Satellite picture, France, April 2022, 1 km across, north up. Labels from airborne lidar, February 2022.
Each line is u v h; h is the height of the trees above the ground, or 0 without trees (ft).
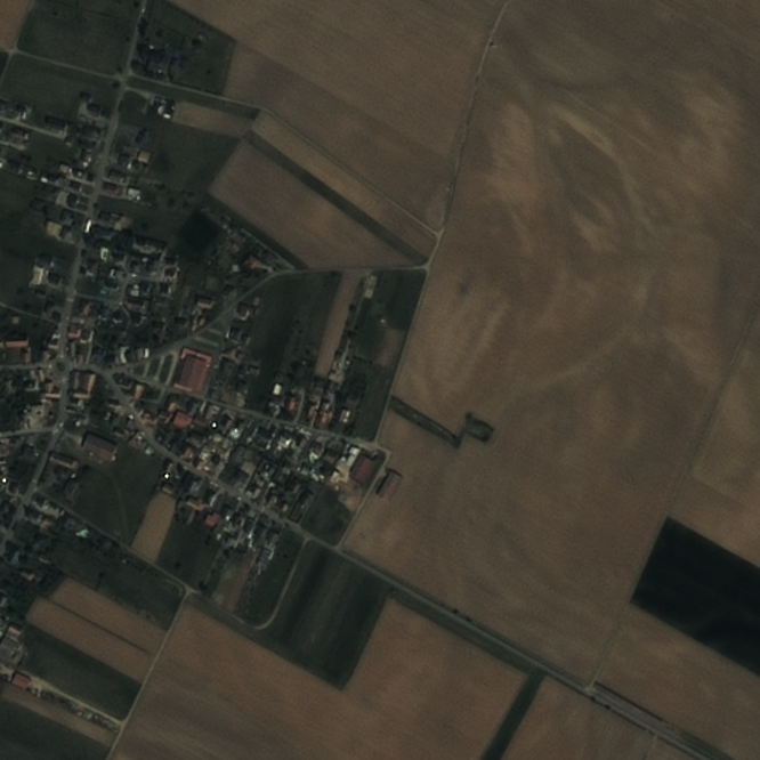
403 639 0
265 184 0
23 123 0
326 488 0
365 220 0
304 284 0
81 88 0
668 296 0
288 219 0
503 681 0
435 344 0
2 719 0
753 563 0
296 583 0
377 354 0
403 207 0
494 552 0
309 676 0
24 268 0
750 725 0
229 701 0
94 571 0
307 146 0
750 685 0
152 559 0
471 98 0
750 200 0
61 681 0
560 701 0
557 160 0
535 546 0
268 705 0
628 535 0
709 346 0
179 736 0
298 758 0
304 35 0
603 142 0
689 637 0
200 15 0
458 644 0
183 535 0
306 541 0
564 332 0
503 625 0
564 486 0
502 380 0
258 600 0
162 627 0
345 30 0
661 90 0
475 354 0
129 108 0
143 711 0
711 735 0
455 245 0
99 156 0
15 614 34
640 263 0
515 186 0
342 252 0
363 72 0
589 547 0
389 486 0
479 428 0
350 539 0
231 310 0
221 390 0
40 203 29
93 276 0
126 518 0
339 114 0
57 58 0
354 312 23
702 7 0
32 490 0
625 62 0
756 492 0
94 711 0
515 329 0
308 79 0
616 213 0
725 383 0
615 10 0
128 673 0
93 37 0
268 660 0
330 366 0
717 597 0
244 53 0
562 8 0
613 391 0
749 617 0
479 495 0
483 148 0
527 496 0
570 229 0
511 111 0
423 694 0
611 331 0
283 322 0
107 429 0
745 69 0
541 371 0
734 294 0
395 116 0
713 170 0
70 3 0
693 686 0
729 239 0
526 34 0
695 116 0
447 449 0
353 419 0
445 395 0
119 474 0
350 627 0
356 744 0
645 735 0
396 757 0
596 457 0
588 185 0
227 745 0
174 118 0
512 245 0
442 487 0
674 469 0
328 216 0
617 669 0
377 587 0
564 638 0
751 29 0
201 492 0
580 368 0
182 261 0
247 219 0
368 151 0
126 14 0
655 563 0
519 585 0
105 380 33
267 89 0
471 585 0
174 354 0
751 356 0
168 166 0
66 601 0
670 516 0
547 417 0
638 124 0
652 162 0
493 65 0
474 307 0
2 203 0
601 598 0
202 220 0
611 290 0
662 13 0
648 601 0
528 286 0
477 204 0
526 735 0
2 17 0
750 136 0
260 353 0
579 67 0
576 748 0
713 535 0
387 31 0
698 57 0
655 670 0
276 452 0
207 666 0
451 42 0
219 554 0
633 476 0
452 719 0
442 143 0
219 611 0
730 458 0
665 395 0
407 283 0
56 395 0
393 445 0
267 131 0
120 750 0
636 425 0
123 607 0
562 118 0
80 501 0
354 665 0
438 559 0
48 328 0
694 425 0
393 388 0
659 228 0
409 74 0
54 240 0
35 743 0
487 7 0
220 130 0
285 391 0
